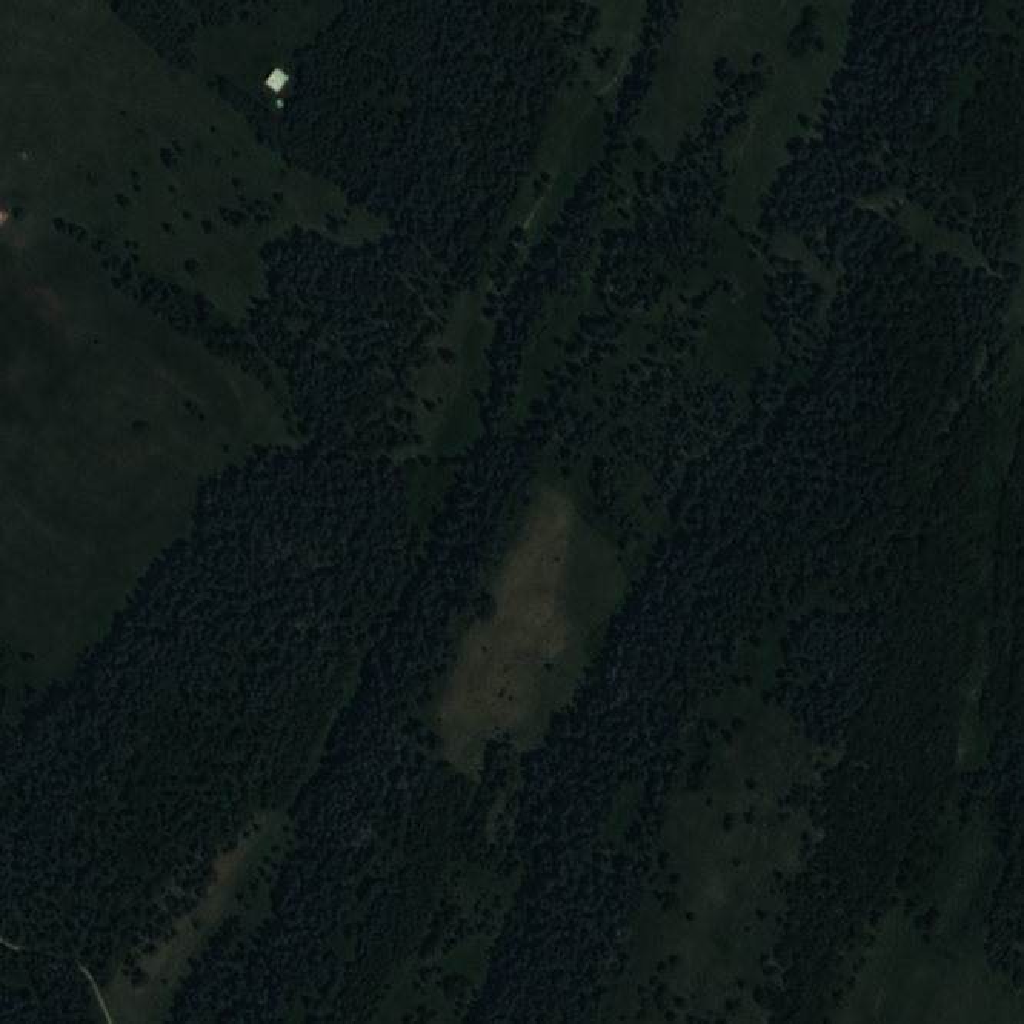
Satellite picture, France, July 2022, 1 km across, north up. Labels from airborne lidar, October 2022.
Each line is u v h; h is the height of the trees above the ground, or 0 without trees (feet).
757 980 0
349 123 52
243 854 0
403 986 0
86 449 0
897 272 64
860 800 55
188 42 0
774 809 0
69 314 0
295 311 53
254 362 56
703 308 94
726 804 0
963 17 46
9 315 0
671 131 0
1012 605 37
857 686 57
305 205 0
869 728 52
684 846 0
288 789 60
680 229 88
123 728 86
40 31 0
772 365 0
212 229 65
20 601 0
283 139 60
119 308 0
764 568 57
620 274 81
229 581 87
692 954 0
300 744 66
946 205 31
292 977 64
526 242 67
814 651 86
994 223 70
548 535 0
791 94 0
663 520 0
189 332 68
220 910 0
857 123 55
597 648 0
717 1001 0
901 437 54
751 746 0
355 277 71
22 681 0
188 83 0
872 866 66
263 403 0
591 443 87
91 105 0
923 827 54
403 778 89
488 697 0
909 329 52
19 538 0
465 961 0
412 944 52
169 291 47
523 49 57
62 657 0
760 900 0
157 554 0
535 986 51
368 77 47
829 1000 44
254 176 0
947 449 67
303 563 78
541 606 0
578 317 0
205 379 0
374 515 97
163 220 0
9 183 0
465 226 72
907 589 68
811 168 82
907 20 62
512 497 73
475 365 0
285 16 0
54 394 0
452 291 98
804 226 84
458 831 22
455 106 63
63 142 0
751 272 0
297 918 98
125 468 0
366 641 66
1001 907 50
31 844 68
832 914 58
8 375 0
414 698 64
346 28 51
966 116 32
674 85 0
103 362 0
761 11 0
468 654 0
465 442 0
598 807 65
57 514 0
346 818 80
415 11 47
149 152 0
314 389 84
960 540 76
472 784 46
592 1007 57
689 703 52
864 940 56
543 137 47
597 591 0
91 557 0
